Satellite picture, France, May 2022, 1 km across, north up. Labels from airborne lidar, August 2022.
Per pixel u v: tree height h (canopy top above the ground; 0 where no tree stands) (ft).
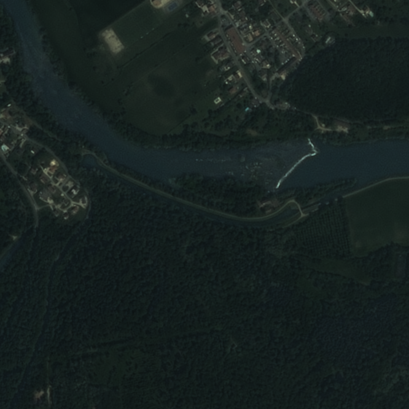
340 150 0
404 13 19
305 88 51
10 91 77
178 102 0
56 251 56
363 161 0
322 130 0
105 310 82
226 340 49
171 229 80
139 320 55
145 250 72
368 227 0
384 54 48
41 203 0
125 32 0
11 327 76
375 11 31
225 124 37
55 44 0
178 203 0
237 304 98
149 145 25
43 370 61
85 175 88
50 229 46
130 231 77
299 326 68
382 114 69
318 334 78
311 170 0
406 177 0
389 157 0
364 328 100
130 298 84
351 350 92
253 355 73
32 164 23
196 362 66
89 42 0
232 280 76
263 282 91
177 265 62
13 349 90
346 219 47
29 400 35
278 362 98
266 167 0
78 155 99
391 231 0
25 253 85
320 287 64
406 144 0
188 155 0
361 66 52
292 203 0
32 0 0
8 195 74
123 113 35
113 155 0
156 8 0
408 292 34
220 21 0
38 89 0
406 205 0
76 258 85
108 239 55
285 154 0
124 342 56
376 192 0
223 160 0
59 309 85
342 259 48
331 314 63
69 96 0
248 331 94
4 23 67
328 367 74
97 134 0
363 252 0
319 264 34
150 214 85
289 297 86
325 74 62
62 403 50
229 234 74
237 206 84
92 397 67
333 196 0
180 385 55
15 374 80
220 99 0
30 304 75
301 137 43
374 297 40
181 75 0
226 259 65
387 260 83
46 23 0
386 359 92
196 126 62
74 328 80
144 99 0
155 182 89
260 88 55
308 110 53
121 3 0
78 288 19
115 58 0
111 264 78
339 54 44
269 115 42
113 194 95
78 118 0
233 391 60
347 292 63
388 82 41
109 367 0
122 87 0
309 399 96
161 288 59
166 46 0
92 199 67
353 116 55
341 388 111
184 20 0
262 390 53
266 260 93
